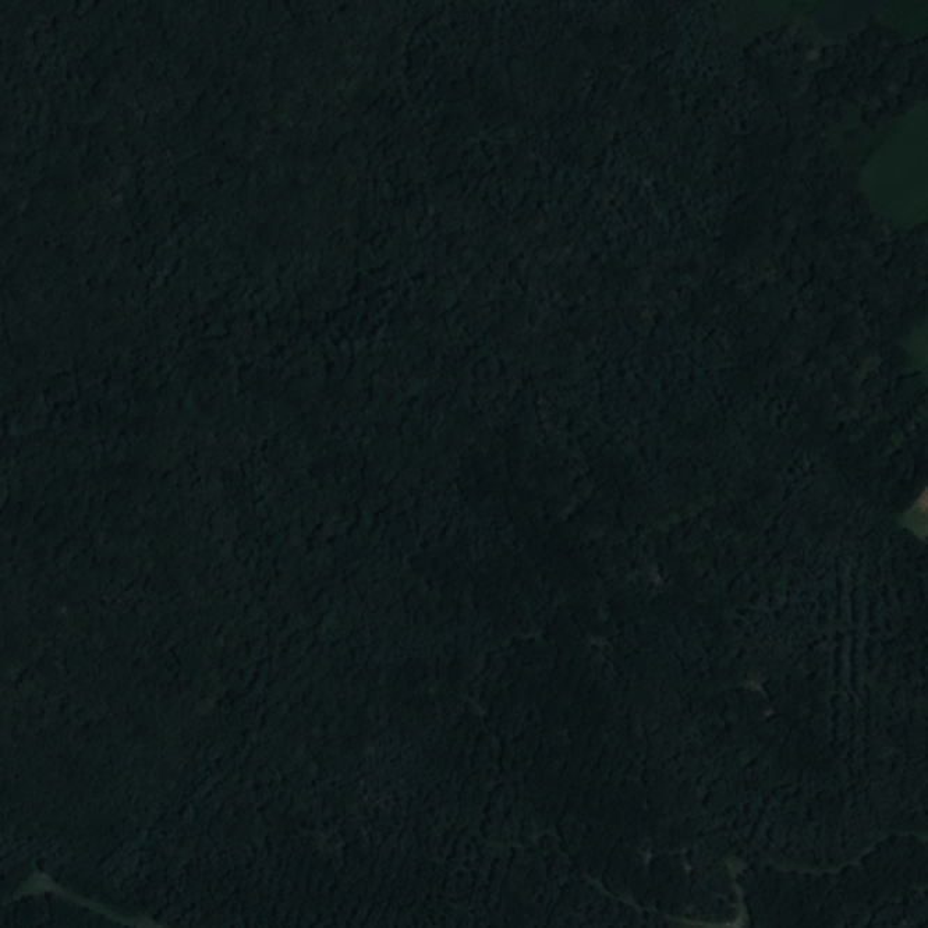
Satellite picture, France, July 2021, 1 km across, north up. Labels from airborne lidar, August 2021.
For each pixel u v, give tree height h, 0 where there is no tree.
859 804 24
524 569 25
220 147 28
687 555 26
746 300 24
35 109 23
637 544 22
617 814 26
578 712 27
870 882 23
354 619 21
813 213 18
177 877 19
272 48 26
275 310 18
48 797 22
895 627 28
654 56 22
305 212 21
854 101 16
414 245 22
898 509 19
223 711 24
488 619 22
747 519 25
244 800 22
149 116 21
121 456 21
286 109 24
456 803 22
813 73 11
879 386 22
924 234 14
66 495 17
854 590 12
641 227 20
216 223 26
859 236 16
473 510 20
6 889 20
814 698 22
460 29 25
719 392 26
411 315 25
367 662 24
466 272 17
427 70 23
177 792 26
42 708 21
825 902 16
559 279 24
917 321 24
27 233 23
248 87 27
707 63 29
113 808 27
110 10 22
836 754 23
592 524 31
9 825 25
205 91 22
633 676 24
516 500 25
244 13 20
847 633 9
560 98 18
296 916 22
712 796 15
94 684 20
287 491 19
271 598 23
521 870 24
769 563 25
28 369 22
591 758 26
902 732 15
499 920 27
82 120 22
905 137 0
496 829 24
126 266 17
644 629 28
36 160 29
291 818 22
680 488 23
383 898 24
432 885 27
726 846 6
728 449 26
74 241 19
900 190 0
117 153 26
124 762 25
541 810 26
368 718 26
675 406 24
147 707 21
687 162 25
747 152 21
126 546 24
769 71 24
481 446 17
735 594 29
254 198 22
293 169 21
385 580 16
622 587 27
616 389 22
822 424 29
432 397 23
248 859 19
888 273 22
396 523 20
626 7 24
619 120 22
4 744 24
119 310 17
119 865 34
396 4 25
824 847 25
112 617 20
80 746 22
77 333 21
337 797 25
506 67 12
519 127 24
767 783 22
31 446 22
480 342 22
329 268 24
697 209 23
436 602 21
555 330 20
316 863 16
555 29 16
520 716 21
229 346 21
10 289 26
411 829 22
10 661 25
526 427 22
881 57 21
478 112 20
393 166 11
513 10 24
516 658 17
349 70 29
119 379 21
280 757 23
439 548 21
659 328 19
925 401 24
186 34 20
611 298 24
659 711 21
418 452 20
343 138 21
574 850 27
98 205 20
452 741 23
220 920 22
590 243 34
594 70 18
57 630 23
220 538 20
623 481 22
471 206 22
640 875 26
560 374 22
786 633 23
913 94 22
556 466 21
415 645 21
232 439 22
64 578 24
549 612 22
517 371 24
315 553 24
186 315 31
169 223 26
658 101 21
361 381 23
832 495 24
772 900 21
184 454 11
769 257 25
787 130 15
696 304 24
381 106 24
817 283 21
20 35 22
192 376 20
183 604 18
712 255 27
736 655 24
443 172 27
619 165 24
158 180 25
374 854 19
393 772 24
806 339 24
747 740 23
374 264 24
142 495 18
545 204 21
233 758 15
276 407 23
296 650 22
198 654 23
